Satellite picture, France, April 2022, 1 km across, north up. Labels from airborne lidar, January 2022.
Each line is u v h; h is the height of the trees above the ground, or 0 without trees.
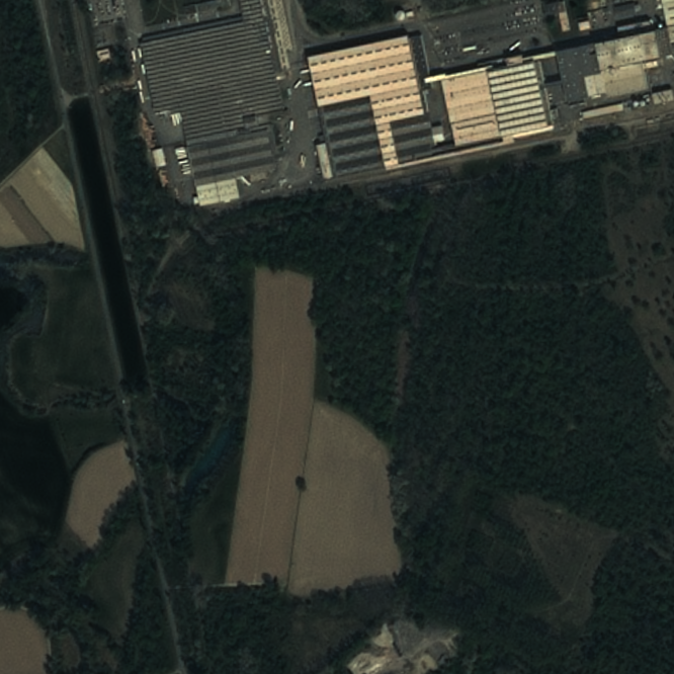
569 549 0
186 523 15
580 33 0
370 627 15
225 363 25
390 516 0
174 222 0
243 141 0
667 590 17
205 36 0
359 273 16
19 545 0
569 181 21
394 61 0
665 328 0
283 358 0
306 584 0
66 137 0
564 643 31
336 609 18
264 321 0
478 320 17
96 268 0
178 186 0
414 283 0
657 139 0
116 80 19
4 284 16
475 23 0
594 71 0
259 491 0
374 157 0
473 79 0
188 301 0
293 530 0
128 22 0
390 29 0
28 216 0
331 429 0
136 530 0
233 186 0
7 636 0
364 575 0
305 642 0
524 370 17
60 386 0
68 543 0
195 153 0
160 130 0
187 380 0
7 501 0
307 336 0
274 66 0
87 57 0
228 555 0
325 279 19
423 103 0
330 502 0
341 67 0
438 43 0
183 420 7
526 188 19
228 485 0
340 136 0
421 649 0
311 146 0
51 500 0
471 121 0
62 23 0
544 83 0
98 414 0
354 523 0
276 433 0
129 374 0
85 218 0
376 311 20
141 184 23
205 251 16
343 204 0
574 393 12
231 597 7
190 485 0
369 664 0
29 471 0
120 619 0
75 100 0
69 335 0
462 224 26
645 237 0
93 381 0
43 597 12
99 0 0
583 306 8
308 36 0
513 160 0
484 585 0
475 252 15
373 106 0
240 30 0
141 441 19
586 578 0
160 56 0
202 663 6
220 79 0
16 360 0
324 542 0
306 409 0
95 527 0
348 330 18
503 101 0
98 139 0
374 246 23
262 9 0
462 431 16
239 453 15
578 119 0
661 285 0
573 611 0
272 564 0
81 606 23
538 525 0
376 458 0
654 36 0
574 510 16
